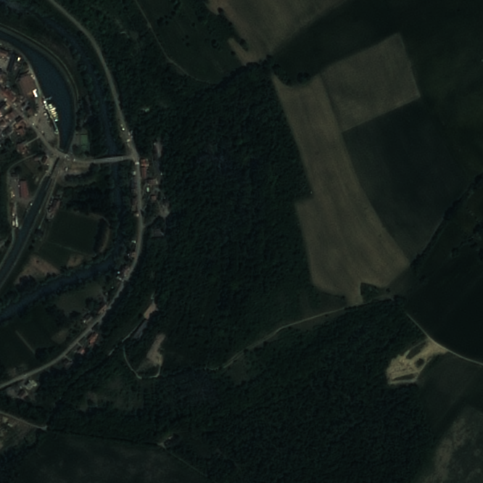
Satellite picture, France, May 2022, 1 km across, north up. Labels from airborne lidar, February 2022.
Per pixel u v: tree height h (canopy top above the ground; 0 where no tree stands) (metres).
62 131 0
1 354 0
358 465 13
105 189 0
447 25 0
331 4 0
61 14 0
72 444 0
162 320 6
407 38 0
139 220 0
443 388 0
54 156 0
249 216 15
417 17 0
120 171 9
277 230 7
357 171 0
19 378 0
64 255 0
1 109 0
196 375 16
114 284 0
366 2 0
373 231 0
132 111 16
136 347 10
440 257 0
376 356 9
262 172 25
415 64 0
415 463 16
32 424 0
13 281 0
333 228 0
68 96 0
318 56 0
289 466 14
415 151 0
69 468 0
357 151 0
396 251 0
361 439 6
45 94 0
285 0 0
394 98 0
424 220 0
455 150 0
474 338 0
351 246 0
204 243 13
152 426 22
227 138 22
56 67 0
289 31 0
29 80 0
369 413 6
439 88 0
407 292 0
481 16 0
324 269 0
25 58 0
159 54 12
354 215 0
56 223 0
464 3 0
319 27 0
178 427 15
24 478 0
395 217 0
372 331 26
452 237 0
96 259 9
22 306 0
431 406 0
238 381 0
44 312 0
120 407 0
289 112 0
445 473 0
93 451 0
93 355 13
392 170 0
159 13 0
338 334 19
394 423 11
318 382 13
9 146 13
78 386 6
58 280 0
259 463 8
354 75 0
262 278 7
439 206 0
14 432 0
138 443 9
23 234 0
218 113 19
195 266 8
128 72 13
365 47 0
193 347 5
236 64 0
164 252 12
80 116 9
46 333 0
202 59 0
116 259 8
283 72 9
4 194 15
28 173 0
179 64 0
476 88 0
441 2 0
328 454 14
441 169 0
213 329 10
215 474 14
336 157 0
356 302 0
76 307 0
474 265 0
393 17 0
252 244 19
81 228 0
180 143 12
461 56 0
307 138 0
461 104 0
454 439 0
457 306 0
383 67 0
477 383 0
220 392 14
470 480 0
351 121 0
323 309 0
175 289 11
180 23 0
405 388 12
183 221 19
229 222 21
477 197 0
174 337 5
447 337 0
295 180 8
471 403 0
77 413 12
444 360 0
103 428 18
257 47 0
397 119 0
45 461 0
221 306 16
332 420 7
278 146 7
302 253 6
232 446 12
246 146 15
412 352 0
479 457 0
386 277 0
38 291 0
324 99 0
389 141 0
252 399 23
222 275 11
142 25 9
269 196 19
